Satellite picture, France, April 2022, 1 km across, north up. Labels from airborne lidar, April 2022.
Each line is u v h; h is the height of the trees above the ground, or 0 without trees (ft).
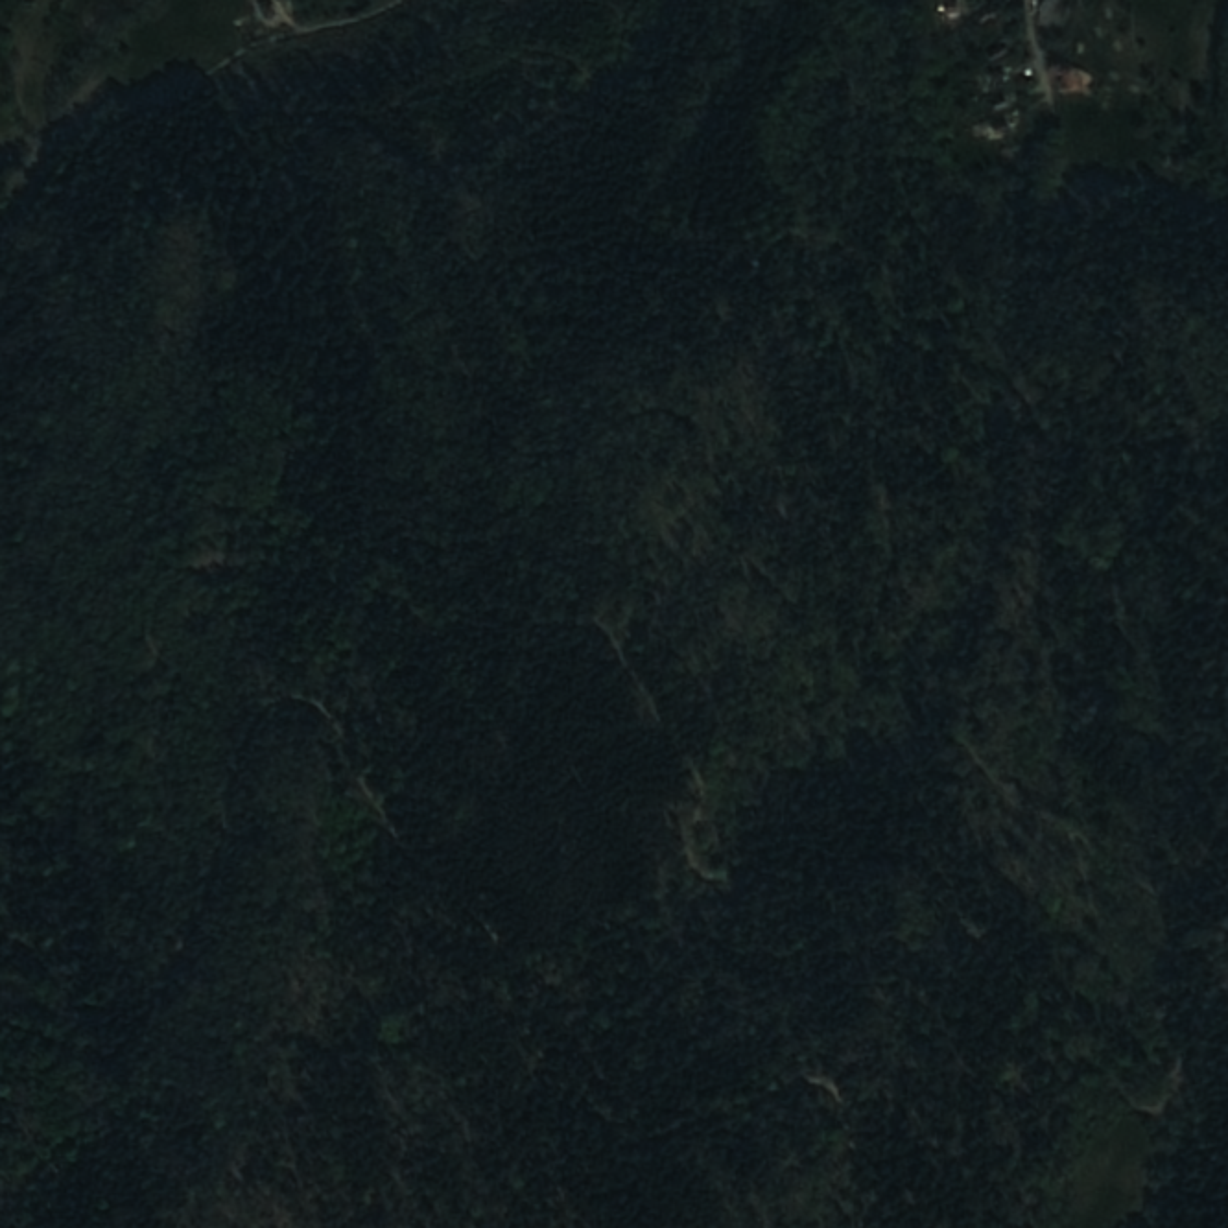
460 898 61
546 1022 101
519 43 32
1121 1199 0
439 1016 90
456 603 90
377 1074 88
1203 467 74
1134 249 97
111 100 66
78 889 112
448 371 73
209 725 54
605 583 68
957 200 92
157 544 56
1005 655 86
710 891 27
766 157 99
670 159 81
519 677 71
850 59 94
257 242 135
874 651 73
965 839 62
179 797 54
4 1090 77
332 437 86
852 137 87
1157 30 0
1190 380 70
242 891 61
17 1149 54
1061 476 72
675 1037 89
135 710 65
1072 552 99
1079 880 72
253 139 36
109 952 73
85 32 19
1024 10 47
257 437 66
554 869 75
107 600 50
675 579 77
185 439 55
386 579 78
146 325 47
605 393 58
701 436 72
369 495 93
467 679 92
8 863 70
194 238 57
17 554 59
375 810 22
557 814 69
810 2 105
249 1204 63
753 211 85
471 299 76
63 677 59
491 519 79
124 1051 90
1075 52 0
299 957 43
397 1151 87
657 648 68
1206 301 87
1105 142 0
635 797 64
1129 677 84
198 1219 58
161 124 94
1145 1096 89
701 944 66
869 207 78
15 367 90
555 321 109
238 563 44
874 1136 105
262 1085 60
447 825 77
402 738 104
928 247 91
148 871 68
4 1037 70
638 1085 97
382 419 85
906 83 79
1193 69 0
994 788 32
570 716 95
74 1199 102
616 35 29
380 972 100
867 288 80
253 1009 50
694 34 88
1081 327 57
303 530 58
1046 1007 88
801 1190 55
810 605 84
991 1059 96
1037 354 64
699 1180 77
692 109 85
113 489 61
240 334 91
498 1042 100
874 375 82
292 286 144
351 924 87
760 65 104
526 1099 99
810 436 89
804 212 91
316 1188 93
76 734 62
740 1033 84
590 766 71
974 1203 93
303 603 87
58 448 60
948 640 28
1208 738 84
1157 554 79
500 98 29
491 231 68
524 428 85
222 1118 64
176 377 59
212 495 31
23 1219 74
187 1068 64
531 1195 101
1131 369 125
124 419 44
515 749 72
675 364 68
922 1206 104
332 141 81
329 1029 22
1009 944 99
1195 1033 91
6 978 91
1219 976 71
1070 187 0
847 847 93
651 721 59
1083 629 101
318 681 61
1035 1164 72
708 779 59
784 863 96
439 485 72
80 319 72
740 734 74
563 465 71
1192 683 108
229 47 0
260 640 68
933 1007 116
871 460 74
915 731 36
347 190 73
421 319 62
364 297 72
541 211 89
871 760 105
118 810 65
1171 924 24
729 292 87
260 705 47
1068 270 89
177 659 39
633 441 49
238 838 43
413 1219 60
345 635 63
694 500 63
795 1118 60
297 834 47
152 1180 80
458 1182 104
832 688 73
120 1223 81
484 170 64
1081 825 48
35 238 81
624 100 89
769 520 86
